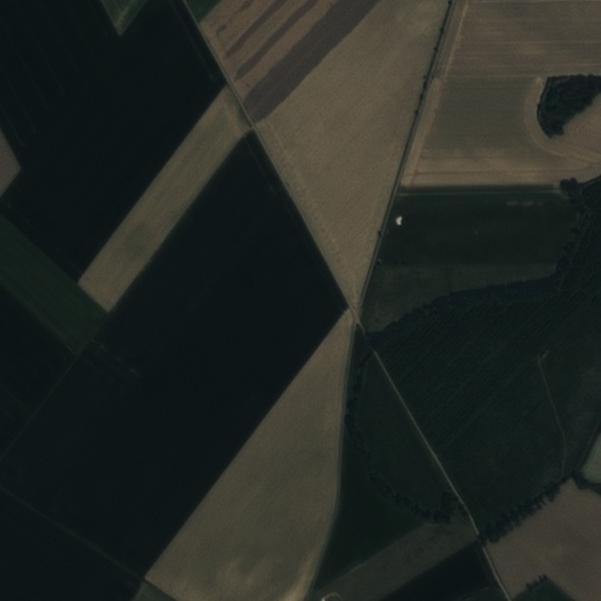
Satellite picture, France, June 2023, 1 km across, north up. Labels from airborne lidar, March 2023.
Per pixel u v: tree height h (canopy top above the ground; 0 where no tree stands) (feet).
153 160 0
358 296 0
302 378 0
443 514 43
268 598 0
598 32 0
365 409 0
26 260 0
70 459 0
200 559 0
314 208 0
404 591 0
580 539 0
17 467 0
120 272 0
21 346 0
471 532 0
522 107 0
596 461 0
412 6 0
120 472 0
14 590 0
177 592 0
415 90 0
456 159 0
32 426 0
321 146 0
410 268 0
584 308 0
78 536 0
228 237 0
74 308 0
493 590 0
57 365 0
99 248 0
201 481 0
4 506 0
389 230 0
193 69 0
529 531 0
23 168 0
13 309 0
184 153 0
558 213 0
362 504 0
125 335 0
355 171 0
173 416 0
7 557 0
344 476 0
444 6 0
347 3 0
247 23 0
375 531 0
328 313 0
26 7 0
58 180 0
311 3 0
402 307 0
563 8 0
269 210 0
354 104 0
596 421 0
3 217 0
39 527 0
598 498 0
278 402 0
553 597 0
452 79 0
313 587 0
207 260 0
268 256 0
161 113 0
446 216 0
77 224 0
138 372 0
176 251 0
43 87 0
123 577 0
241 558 0
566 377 0
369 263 0
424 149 0
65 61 0
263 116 0
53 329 0
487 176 0
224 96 0
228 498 0
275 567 0
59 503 0
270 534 0
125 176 0
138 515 0
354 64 0
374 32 0
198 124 0
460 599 0
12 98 0
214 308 0
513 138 0
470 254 0
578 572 0
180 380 0
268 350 0
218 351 0
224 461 0
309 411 0
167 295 0
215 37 0
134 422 0
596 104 0
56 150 0
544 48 0
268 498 0
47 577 0
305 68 0
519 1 0
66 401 0
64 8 0
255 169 0
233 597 0
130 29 0
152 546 0
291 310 0
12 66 0
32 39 0
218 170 0
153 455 0
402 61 0
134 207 0
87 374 0
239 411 0
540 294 64
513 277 0
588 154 0
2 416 0
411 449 0
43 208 0
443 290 0
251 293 0
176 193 0
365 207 0
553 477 0
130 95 0
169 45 0
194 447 0
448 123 0
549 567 0
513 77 0
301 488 0
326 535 0
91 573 0
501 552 0
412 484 0
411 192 0
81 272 0
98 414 0
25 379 0
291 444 0
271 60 0
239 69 0
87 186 0
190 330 0
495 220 0
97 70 0
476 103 0
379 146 0
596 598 0
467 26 0
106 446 0
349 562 0
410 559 0
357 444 54
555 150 0
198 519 0
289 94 0
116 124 0
